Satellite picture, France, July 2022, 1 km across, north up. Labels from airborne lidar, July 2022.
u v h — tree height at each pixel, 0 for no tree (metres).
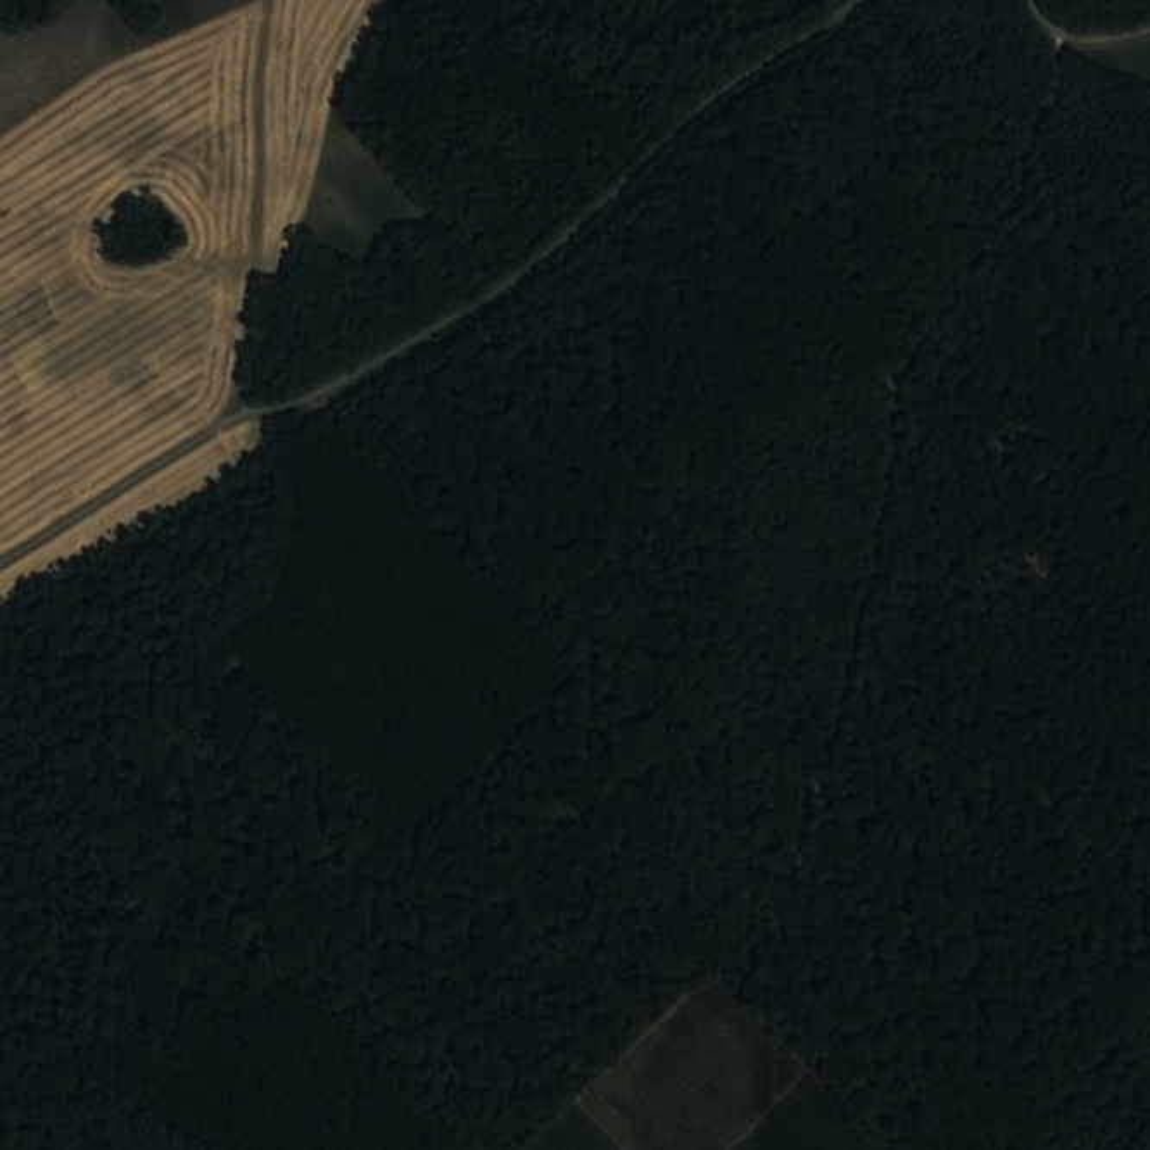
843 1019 29
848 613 25
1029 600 28
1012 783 28
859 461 23
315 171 0
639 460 20
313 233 24
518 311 18
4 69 0
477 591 16
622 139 7
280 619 16
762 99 24
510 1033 29
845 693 11
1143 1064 30
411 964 28
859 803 28
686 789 21
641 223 28
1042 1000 32
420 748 16
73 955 18
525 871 24
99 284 0
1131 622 28
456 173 13
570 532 30
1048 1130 27
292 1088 12
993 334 30
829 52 20
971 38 22
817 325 31
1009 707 28
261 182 0
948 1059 32
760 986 31
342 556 16
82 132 0
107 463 0
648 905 26
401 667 16
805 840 22
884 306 28
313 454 17
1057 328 23
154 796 26
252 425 0
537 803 30
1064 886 30
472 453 29
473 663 16
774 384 27
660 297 30
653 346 29
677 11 13
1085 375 30
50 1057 30
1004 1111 30
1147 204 20
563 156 6
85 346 0
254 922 28
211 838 30
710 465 21
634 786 23
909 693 28
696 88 26
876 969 31
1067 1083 24
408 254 28
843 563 23
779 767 22
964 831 29
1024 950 30
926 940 25
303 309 25
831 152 27
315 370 21
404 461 22
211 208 0
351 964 25
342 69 0
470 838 22
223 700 25
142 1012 31
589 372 7
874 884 29
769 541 24
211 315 0
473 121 8
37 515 0
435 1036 28
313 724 16
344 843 25
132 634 30
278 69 0
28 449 0
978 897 28
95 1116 28
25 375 0
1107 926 27
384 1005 25
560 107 16
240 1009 15
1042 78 20
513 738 20
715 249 29
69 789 28
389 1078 12
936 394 20
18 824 16
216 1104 16
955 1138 23
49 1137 24
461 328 6
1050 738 26
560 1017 24
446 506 19
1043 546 25
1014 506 32
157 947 30
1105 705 30
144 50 0
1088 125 19
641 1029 27
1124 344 28
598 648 31
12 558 0
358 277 17
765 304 27
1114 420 25
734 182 30
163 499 0
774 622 24
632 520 25
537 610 29
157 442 0
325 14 0
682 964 29
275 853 30
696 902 28
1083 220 28
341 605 17
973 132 30
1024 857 30
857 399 21
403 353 0
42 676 19
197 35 0
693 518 26
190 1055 12
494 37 17
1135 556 29
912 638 20
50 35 0
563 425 28
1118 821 28
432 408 25
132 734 31
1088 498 27
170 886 29
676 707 25
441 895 23
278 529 25
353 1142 14
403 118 17
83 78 0
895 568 19
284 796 29
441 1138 10
